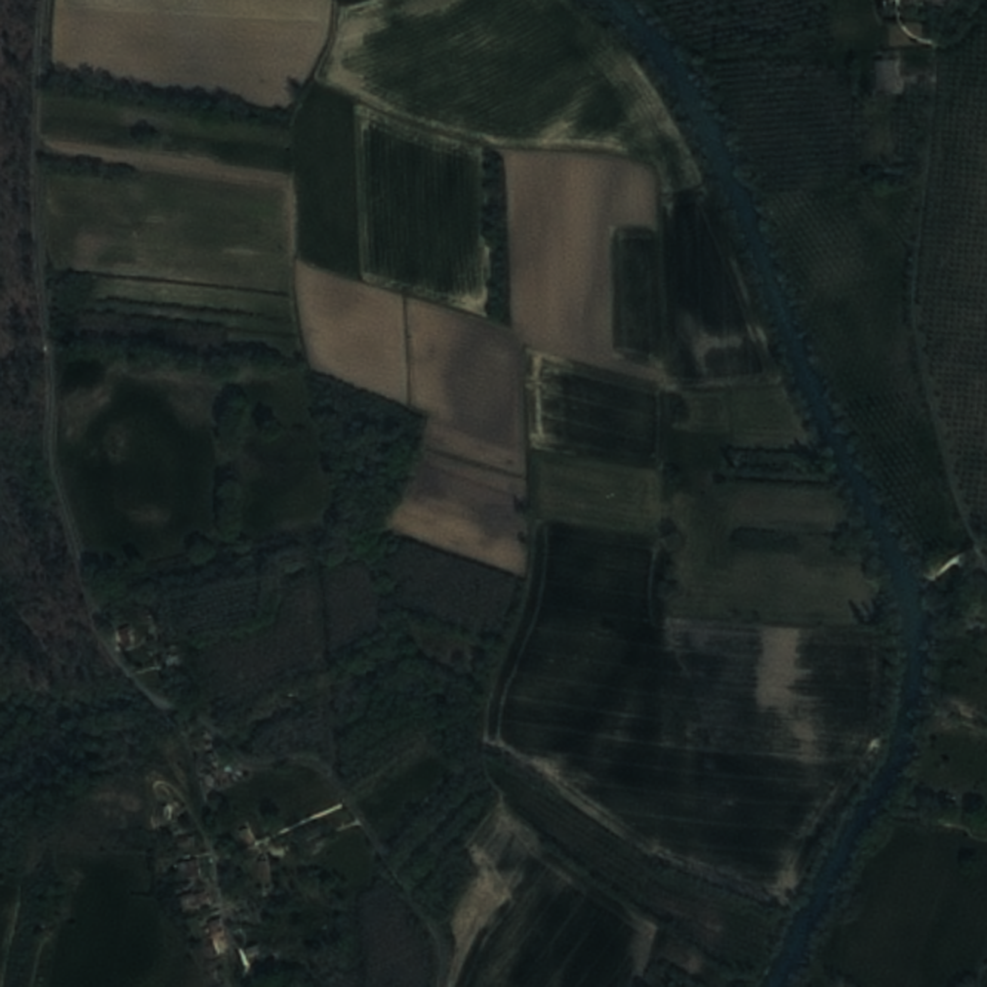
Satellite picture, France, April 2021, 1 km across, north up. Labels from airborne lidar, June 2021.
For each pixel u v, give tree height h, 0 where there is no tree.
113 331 0
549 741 0
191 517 0
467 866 18
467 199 0
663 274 0
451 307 0
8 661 6
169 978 0
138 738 14
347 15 0
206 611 33
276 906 17
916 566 10
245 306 0
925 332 10
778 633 0
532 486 0
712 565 0
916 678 0
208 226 0
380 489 26
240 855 15
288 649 13
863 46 0
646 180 0
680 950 0
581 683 0
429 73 0
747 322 0
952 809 23
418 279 0
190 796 0
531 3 0
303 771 0
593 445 0
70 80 18
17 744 10
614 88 0
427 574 13
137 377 0
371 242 0
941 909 0
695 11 6
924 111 12
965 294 6
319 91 0
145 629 0
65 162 12
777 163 7
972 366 10
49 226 0
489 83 0
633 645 0
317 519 0
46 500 18
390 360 0
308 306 0
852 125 6
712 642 0
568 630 0
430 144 0
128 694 11
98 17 0
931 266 9
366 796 21
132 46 0
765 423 0
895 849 0
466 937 0
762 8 11
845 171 7
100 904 0
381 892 10
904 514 15
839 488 9
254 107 7
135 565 18
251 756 17
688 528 0
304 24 0
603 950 0
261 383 0
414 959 11
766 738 0
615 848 0
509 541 0
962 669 7
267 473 0
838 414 17
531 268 0
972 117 9
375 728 27
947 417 8
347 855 0
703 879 23
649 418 0
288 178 0
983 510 6
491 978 0
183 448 0
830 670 0
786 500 0
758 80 8
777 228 16
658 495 0
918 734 18
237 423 27
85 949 0
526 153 0
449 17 0
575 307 0
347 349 0
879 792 0
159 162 0
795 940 0
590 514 0
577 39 0
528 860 0
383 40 0
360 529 28
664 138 0
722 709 0
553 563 0
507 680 0
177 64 0
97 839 0
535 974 0
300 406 0
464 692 16
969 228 7
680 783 0
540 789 15
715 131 0
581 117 0
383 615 16
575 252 0
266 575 28
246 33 0
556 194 0
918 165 18
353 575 15
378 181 0
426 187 0
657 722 0
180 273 0
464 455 0
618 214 0
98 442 0
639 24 0
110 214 0
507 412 0
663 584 16
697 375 0
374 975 10
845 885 18
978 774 0
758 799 0
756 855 0
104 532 0
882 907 0
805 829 0
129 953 0
